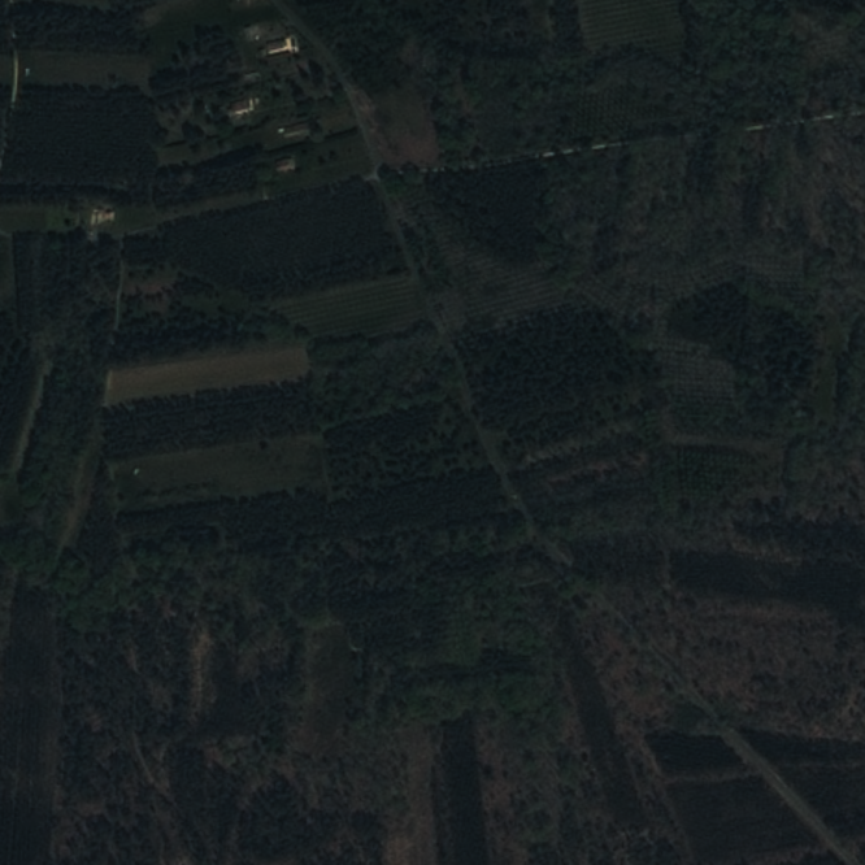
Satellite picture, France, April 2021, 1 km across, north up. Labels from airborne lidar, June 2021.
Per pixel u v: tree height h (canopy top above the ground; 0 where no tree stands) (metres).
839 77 19
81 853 19
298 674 23
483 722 12
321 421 14
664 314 23
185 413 17
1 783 11
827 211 16
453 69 22
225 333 13
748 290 29
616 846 22
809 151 26
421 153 0
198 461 0
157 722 16
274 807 19
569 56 19
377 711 14
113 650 15
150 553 19
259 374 0
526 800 7
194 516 11
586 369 21
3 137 14
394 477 9
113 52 14
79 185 9
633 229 12
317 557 9
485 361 21
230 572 13
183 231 13
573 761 17
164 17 0
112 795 8
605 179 8
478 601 17
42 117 13
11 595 10
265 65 9
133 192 13
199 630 23
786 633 13
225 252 12
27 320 16
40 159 12
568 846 14
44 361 14
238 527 9
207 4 0
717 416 27
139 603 16
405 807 14
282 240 12
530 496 12
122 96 10
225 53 18
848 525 17
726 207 18
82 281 16
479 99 23
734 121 22
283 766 11
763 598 10
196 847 13
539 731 15
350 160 0
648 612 6
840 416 14
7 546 26
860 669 9
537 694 21
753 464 11
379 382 13
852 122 20
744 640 10
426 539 15
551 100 16
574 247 30
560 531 11
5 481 12
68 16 18
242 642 12
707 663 14
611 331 19
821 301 17
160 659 16
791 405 31
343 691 0
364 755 9
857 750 9
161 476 0
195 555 28
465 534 19
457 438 10
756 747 11
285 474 0
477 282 22
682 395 30
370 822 22
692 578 13
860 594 10
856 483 10
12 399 16
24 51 10
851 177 11
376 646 18
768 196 13
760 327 17
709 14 15
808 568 12
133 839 16
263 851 18
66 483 17
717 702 14
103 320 15
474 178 13
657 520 14
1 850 12
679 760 8
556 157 7
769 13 23
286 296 16
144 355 18
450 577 17
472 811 10
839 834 16
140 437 17
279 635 10
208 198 20
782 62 19
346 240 14
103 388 15
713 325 20
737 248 23
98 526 12
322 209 12
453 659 21
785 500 9
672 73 19
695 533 10
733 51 11
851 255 11
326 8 20
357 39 22
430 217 22
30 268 16
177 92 10
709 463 15
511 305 19
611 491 15
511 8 14
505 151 10
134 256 11
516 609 18
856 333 12
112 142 13
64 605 19
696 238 18
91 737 19
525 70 30
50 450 18
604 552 17
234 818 15
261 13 0
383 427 9
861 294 20
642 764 10
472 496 11
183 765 10
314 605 26
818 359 14
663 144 20
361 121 0
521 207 13
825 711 27
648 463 9
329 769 12
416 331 10
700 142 16
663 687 17
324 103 8
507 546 20
